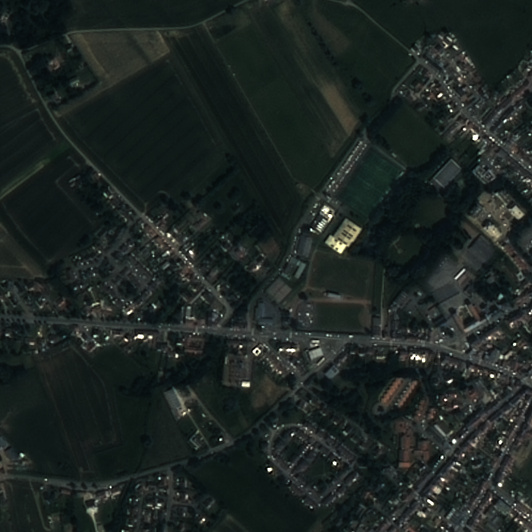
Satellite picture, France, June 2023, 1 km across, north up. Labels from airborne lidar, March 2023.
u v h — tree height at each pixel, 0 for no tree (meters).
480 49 0
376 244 17
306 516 0
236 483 0
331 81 0
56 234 0
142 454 0
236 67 0
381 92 0
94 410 0
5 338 12
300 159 0
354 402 12
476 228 0
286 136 0
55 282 14
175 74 0
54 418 0
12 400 0
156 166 0
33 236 0
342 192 0
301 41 0
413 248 0
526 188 0
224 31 0
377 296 0
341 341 0
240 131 0
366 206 0
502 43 0
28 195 0
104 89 0
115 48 0
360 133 12
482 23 0
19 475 0
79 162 0
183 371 18
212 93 0
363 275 0
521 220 9
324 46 14
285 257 0
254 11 0
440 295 0
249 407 0
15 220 0
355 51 0
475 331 0
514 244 9
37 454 0
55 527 0
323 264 0
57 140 0
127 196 0
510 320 0
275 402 0
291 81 0
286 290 0
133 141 0
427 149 0
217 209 15
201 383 0
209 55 0
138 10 0
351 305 0
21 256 0
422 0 0
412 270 25
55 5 18
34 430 0
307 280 0
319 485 5
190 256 0
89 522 0
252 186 0
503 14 0
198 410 0
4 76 0
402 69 0
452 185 19
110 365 0
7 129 0
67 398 0
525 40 0
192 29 0
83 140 0
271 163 0
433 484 0
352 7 0
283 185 0
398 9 0
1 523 0
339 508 15
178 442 0
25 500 0
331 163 0
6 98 0
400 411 10
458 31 0
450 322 0
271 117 0
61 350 0
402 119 0
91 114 0
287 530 0
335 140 0
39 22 26
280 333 0
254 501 0
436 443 0
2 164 0
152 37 0
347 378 15
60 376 0
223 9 0
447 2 0
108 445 0
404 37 0
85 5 0
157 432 0
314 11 0
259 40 0
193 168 0
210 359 13
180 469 8
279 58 0
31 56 0
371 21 0
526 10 0
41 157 0
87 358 0
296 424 0
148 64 0
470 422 0
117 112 0
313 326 0
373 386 12
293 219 0
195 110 0
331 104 0
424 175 16
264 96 0
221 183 12
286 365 0
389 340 0
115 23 0
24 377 0
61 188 0
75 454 0
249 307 0
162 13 0
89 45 0
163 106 0
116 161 0
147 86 0
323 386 16
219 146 0
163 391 0
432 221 0
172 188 0
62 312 6
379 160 0
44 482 0
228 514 0
